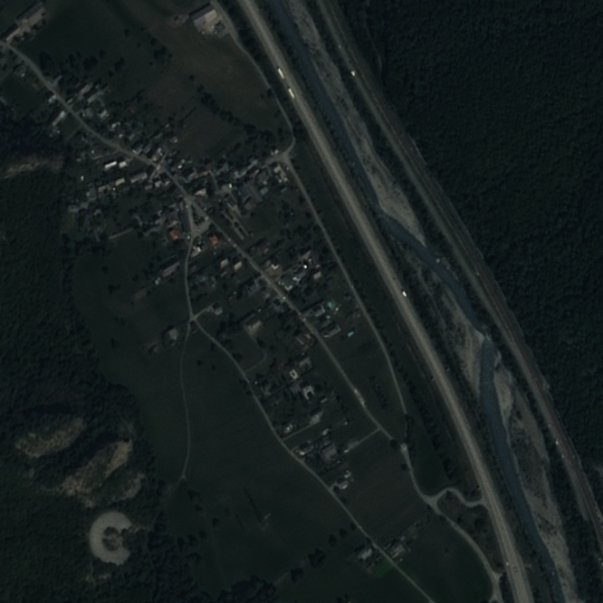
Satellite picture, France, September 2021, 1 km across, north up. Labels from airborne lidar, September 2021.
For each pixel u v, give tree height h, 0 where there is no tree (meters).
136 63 0
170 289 0
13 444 6
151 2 0
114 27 0
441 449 17
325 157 0
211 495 0
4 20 0
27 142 11
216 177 6
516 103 14
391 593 0
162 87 0
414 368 0
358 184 8
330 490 0
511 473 0
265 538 0
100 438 10
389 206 0
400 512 0
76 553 12
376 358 0
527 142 9
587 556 13
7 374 16
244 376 0
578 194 15
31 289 21
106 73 0
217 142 0
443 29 15
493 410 0
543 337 12
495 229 16
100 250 14
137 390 0
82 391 10
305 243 8
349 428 0
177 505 0
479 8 16
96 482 7
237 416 0
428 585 0
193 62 0
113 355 0
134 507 8
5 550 13
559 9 15
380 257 0
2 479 8
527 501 0
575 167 16
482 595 0
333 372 0
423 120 20
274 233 0
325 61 0
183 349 0
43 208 16
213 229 8
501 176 13
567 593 0
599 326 16
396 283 0
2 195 15
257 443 0
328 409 0
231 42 0
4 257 15
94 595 8
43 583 9
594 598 23
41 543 11
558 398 11
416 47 14
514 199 15
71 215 0
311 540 0
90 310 0
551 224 15
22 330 15
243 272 0
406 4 17
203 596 18
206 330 0
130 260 0
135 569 9
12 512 15
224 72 0
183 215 0
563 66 17
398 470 0
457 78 15
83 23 0
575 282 13
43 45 0
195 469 0
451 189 15
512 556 0
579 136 14
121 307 0
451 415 0
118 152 0
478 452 0
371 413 0
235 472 0
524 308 9
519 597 0
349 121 0
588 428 16
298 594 0
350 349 0
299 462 0
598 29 15
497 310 0
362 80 0
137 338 0
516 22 11
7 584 10
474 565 0
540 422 14
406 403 0
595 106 11
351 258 0
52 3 0
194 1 0
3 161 7
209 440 0
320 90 0
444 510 0
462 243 0
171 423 0
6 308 10
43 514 13
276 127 0
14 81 0
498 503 0
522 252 7
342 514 0
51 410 16
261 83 0
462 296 0
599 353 15
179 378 0
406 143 0
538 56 16
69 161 21
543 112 15
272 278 0
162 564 13
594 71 14
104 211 16
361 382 0
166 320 0
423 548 0
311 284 8
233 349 9
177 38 0
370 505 0
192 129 0
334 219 0
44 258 15
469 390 7
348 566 0
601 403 17
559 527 0
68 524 11
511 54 13
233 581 0
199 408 0
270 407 9
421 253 0
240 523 0
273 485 0
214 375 0
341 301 0
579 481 0
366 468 0
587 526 23
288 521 0
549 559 0
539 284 13
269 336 0
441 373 0
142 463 13
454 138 16
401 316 0
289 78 0
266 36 0
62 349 8
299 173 7
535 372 0
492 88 15
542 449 0
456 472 15
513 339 0
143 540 8
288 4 0
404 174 11
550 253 13
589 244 17
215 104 15
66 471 14
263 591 17
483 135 11
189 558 13
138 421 6
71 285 15
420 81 15
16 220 14
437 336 12
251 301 0
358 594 0
